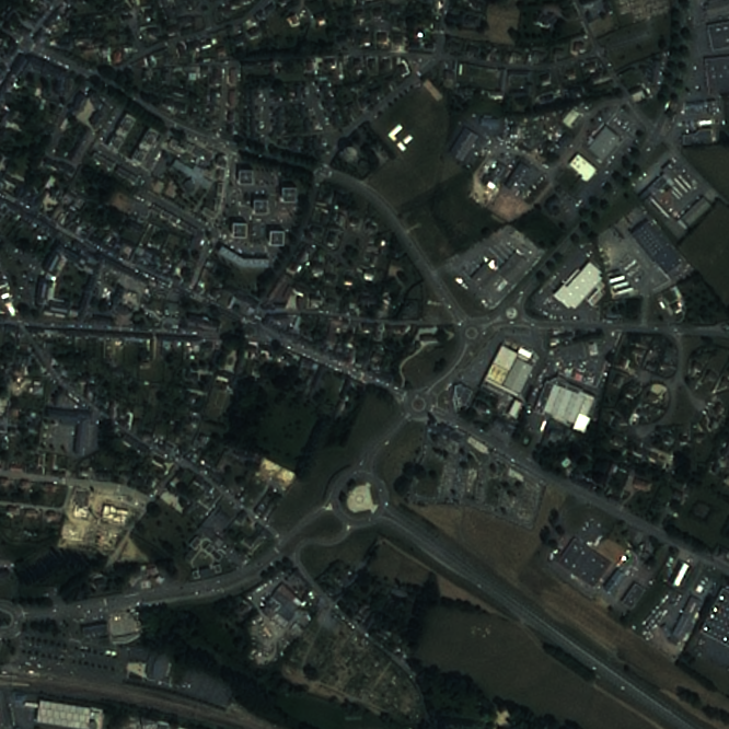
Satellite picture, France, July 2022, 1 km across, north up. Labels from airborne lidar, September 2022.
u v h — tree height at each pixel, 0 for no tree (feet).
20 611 0
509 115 23
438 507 0
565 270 0
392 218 0
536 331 0
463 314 0
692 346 0
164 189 18
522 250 0
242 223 0
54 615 0
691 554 0
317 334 28
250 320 0
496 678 0
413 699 0
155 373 0
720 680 0
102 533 0
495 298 0
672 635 0
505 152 0
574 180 0
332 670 0
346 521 0
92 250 0
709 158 0
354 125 0
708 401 0
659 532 0
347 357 0
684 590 0
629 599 0
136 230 0
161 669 0
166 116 0
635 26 0
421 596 43
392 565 0
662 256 0
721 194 0
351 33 27
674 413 0
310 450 57
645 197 0
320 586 20
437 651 0
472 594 0
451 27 55
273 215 0
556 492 0
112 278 0
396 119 0
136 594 0
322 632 0
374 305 21
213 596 0
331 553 0
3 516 20
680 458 63
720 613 0
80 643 0
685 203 0
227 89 0
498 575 0
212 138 0
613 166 0
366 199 0
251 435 57
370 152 41
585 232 45
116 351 0
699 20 0
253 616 39
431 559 0
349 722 0
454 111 27
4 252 37
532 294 0
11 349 27
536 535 0
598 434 35
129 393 23
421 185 0
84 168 23
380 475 0
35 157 56
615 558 0
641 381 0
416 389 0
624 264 0
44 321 0
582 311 0
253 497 0
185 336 0
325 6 17
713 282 0
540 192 0
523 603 0
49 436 0
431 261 0
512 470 0
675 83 33
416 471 45
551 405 0
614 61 0
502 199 0
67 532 0
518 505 0
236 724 0
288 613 0
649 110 0
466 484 0
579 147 0
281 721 39
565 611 0
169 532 0
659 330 0
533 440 0
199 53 25
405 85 0
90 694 0
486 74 0
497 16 0
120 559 0
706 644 0
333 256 0
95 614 0
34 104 20
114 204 0
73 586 41
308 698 0
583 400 0
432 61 0
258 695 113
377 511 0
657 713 0
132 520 0
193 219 0
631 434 0
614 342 0
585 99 24
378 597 30
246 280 0
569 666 33
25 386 0
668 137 0
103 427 45
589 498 0
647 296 0
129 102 51
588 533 0
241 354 27
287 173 54
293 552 0
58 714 0
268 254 0
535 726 84
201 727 27
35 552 0
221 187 0
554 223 0
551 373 0
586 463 56
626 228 0
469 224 0
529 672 0
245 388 73
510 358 0
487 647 0
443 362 29
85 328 0
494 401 25
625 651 0
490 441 0
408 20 34
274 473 0
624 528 23
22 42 0
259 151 59
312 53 22
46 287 0
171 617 24
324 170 0
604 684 0
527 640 0
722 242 0
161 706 0
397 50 0
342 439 25
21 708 0
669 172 0
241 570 0
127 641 0
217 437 36
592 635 0
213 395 0
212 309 39
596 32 0
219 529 0
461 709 34
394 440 0
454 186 0
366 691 0
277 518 0
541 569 0
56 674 0
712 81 0
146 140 0
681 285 25
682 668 27
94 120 0
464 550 0
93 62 22
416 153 0
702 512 0
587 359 0
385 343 23
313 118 20
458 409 26
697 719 0
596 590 0
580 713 0
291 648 19
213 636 0
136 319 28
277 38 18
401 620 21
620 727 0
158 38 27
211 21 0
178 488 38
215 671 90
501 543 0
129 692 0
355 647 0
